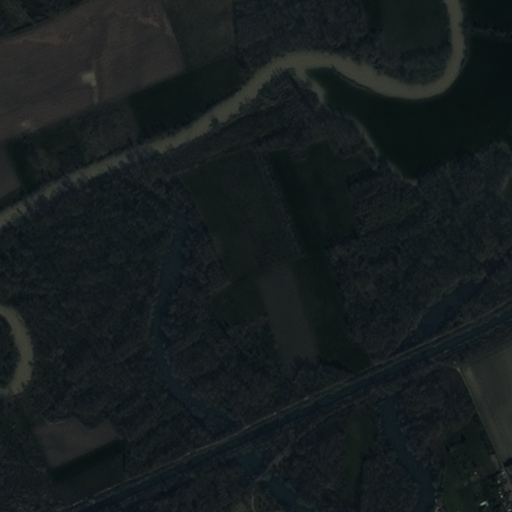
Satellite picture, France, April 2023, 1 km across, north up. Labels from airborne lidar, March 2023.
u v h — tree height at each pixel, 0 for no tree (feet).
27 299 80
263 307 0
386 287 67
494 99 0
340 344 0
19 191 0
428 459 45
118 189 81
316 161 0
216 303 0
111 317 110
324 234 0
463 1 37
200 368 131
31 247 105
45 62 0
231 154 0
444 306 0
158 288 35
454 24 0
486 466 0
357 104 0
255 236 0
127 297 119
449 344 0
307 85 17
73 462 0
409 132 0
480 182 130
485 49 0
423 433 97
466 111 0
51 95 0
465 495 0
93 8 0
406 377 66
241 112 25
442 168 43
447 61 26
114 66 0
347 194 0
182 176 0
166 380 0
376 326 84
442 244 111
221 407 60
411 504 68
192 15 0
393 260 103
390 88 0
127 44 0
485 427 0
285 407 29
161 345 0
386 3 0
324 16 81
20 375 0
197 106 0
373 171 0
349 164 0
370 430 0
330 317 0
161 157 43
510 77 0
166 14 0
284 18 69
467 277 107
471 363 0
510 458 0
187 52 0
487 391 0
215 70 0
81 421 27
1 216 0
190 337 127
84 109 0
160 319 0
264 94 30
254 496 24
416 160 0
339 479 80
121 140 0
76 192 120
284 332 0
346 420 28
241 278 0
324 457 120
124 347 112
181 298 56
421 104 0
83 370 119
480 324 21
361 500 52
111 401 53
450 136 0
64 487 0
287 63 0
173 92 0
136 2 0
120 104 0
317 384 71
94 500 20
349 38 66
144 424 128
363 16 100
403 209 68
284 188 0
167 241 74
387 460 97
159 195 23
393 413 0
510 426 0
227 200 0
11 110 0
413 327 66
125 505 50
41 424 0
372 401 73
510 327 36
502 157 54
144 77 0
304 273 0
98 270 126
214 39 0
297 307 0
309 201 0
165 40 0
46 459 0
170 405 72
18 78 0
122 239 81
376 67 54
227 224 0
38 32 0
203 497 52
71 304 104
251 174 0
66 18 0
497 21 0
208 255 114
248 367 120
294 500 0
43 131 0
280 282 0
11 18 0
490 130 0
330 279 0
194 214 67
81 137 0
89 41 0
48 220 113
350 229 0
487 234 121
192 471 60
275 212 0
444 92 0
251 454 0
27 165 0
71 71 0
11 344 81
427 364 95
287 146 72
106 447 0
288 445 96
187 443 56
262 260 0
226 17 0
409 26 0
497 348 0
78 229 103
